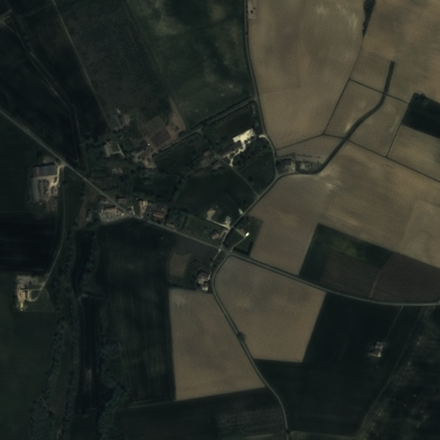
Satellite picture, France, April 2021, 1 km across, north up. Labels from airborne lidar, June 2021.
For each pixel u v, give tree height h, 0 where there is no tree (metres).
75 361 20
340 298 0
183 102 0
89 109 0
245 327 0
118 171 0
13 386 0
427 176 0
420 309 0
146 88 0
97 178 0
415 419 0
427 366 0
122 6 0
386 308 0
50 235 0
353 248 0
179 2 0
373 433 0
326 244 0
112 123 0
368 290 0
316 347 0
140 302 0
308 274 0
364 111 0
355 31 0
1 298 0
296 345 0
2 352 0
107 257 0
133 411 0
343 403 0
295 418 0
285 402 0
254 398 0
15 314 0
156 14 0
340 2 0
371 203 0
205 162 0
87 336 0
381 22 0
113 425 10
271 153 0
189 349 0
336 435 0
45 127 0
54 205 0
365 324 0
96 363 0
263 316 0
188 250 0
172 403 0
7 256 0
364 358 0
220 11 0
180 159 0
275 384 0
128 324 0
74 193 0
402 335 0
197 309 0
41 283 0
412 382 0
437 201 0
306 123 0
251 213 0
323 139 0
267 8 0
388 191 0
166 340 0
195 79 0
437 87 0
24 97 0
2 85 0
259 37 0
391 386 0
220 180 0
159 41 0
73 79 0
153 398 0
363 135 0
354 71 0
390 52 0
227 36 0
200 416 0
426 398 0
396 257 0
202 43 0
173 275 0
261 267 0
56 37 0
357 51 0
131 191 15
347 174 0
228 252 0
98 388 0
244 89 0
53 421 20
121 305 0
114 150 0
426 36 0
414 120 0
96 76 0
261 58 0
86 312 0
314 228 0
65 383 0
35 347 0
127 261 0
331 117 0
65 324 14
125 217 0
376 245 0
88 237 0
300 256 0
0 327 0
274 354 0
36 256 0
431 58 0
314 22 0
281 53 0
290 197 0
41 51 0
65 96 0
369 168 0
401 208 0
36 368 0
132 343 0
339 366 0
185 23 0
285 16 0
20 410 0
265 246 0
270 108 0
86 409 0
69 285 18
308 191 0
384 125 0
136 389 0
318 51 0
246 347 0
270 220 0
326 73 0
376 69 0
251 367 0
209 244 0
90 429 0
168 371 0
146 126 0
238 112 7
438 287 0
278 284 0
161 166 0
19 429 0
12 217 0
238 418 7
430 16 0
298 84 0
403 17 0
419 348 0
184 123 0
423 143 0
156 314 0
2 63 0
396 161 0
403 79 0
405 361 0
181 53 0
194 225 0
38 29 0
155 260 0
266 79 0
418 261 0
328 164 0
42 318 0
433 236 0
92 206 0
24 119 0
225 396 0
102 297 0
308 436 0
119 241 0
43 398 6
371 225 0
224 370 0
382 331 0
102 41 0
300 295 0
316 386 0
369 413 0
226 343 0
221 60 0
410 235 0
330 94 0
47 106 0
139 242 0
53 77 0
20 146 0
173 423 0
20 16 0
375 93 0
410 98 0
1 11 0
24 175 0
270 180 0
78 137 0
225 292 0
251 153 11
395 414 0
